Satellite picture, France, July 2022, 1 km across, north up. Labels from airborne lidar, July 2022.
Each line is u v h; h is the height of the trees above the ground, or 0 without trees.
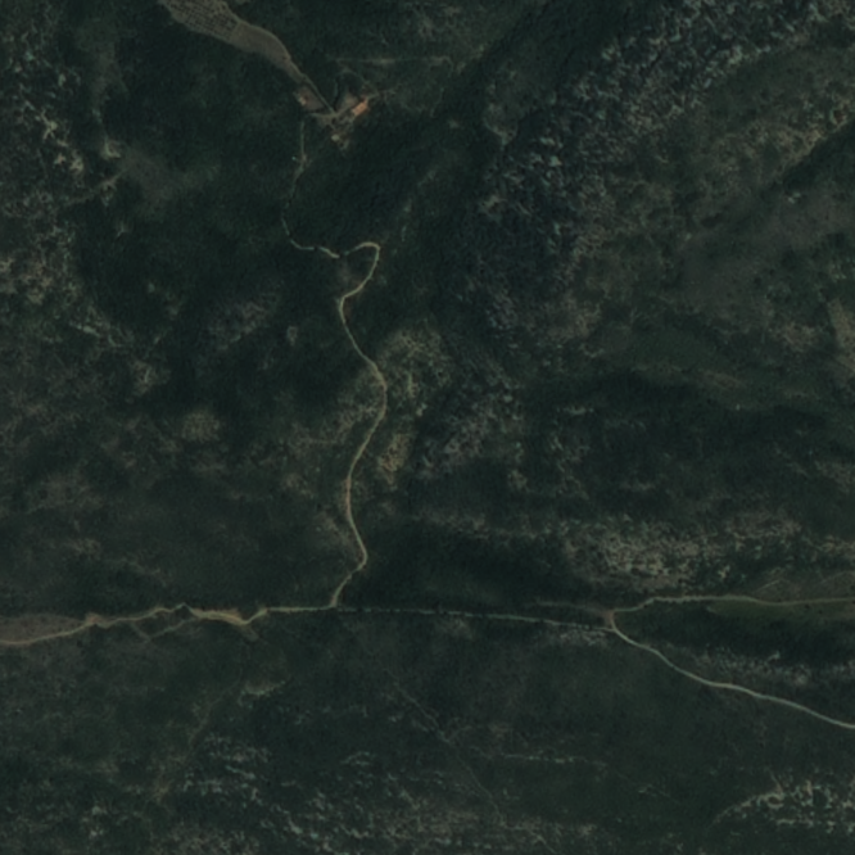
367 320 8
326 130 6
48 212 6
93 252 9
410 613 6
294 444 0
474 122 9
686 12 8
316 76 6
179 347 8
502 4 6
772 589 0
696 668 0
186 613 6
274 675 0
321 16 9
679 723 0
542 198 8
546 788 0
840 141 7
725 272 0
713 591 6
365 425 6
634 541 0
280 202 6
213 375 6
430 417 6
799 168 7
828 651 7
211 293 8
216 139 7
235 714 0
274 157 9
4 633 0
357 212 8
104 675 0
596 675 0
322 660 0
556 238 6
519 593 6
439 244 8
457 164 9
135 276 12
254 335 6
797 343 0
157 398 8
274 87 11
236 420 6
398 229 6
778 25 6
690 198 7
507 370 6
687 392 7
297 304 7
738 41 6
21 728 0
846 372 0
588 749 0
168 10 7
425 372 6
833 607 0
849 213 0
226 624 6
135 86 6
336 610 6
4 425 0
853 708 0
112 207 6
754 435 6
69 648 0
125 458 0
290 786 0
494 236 7
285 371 7
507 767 0
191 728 0
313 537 0
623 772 0
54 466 6
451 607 6
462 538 7
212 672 6
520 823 0
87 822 0
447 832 0
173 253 5
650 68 7
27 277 0
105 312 7
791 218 0
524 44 6
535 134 8
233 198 7
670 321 6
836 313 0
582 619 6
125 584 6
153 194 0
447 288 7
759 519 0
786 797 0
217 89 7
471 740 0
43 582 0
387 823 0
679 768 0
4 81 7
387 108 9
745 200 0
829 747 0
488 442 6
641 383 8
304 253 8
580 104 7
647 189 0
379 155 9
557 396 7
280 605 6
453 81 9
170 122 7
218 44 8
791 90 0
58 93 6
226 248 9
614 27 7
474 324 6
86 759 6
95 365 6
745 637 6
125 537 0
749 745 0
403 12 6
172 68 9
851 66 0
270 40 0
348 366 7
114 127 8
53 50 6
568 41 8
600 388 7
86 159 8
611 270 0
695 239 0
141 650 0
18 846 0
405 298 7
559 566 6
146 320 8
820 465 0
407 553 6
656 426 6
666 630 7
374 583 9
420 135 10
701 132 0
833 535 0
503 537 6
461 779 0
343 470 6
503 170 6
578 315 0
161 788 0
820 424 7
